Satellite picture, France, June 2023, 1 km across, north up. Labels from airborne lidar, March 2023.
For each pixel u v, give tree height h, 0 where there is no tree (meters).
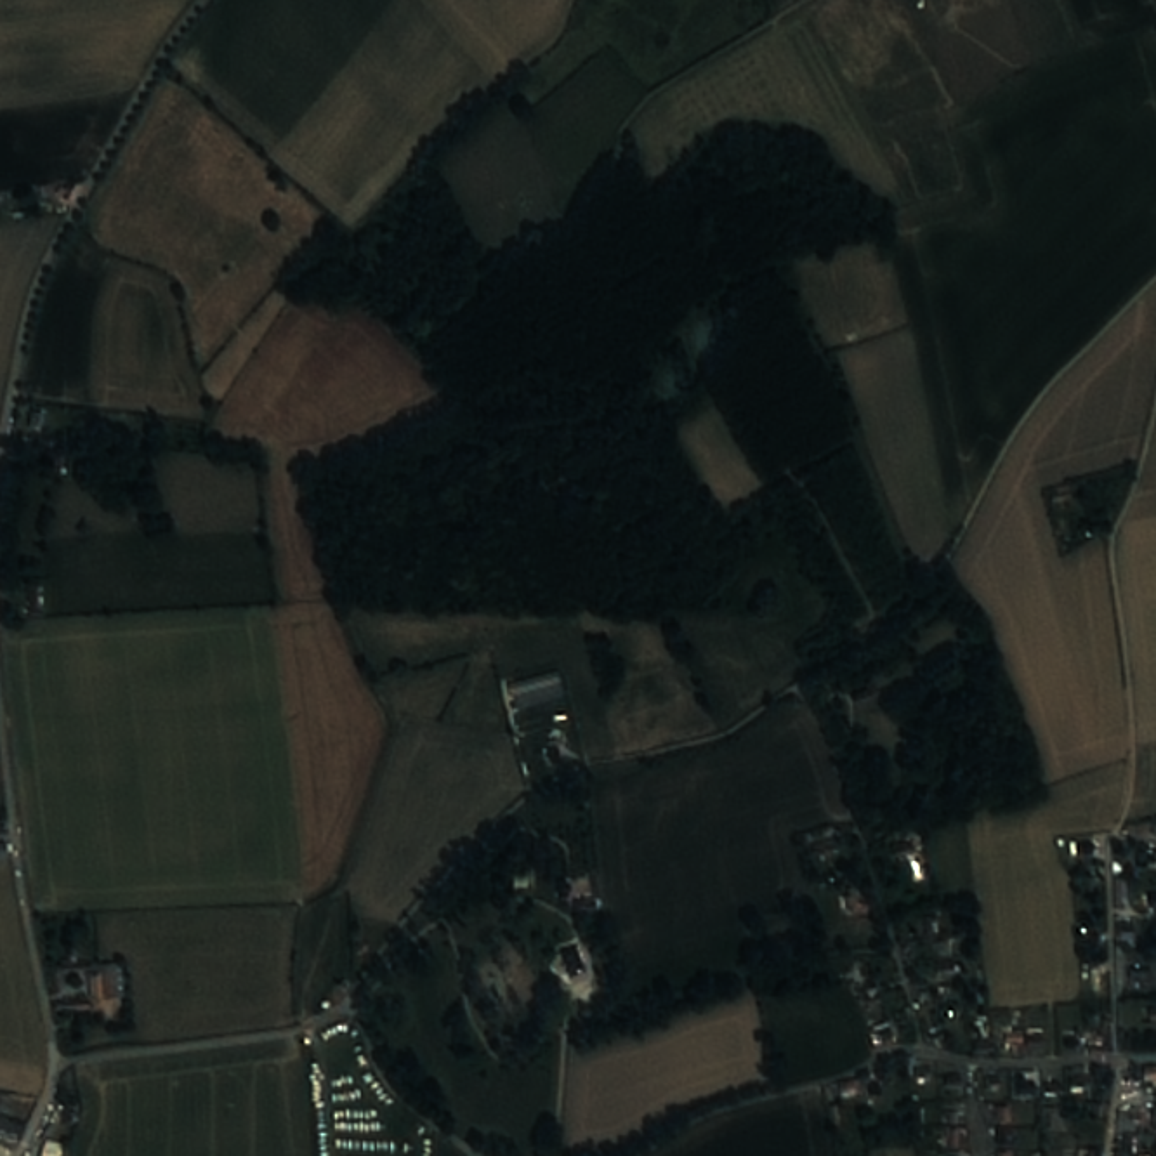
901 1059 21
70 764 0
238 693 0
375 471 26
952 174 0
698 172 16
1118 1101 0
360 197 0
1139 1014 0
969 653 10
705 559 28
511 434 24
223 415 0
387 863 0
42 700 0
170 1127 0
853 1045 0
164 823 0
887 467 0
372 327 0
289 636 0
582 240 15
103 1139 0
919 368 0
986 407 0
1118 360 0
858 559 6
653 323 15
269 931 0
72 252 0
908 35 0
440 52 0
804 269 0
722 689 0
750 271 10
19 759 0
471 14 0
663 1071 0
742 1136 0
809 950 25
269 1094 0
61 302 0
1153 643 0
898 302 0
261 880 0
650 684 0
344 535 17
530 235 14
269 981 0
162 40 0
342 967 0
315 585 0
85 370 0
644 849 0
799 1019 0
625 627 0
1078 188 0
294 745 0
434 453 27
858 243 7
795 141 19
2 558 21
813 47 0
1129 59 0
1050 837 0
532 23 0
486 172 0
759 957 25
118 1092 0
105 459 24
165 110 0
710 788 0
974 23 0
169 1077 0
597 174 13
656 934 0
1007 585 0
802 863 12
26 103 0
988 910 0
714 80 0
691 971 0
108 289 0
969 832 0
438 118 0
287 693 0
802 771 0
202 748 0
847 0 0
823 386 14
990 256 0
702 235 25
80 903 0
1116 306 0
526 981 0
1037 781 25
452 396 16
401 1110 0
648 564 24
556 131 0
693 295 15
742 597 0
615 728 0
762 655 0
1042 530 0
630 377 17
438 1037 0
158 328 0
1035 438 0
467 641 0
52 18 0
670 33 0
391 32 0
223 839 0
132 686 0
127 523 0
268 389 0
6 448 18
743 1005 0
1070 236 0
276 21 0
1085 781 0
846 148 0
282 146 0
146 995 0
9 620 16
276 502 0
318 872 0
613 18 0
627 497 18
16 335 0
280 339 0
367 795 0
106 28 0
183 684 0
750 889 0
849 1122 0
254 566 0
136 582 0
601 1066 0
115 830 0
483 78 0
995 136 0
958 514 0
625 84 0
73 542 0
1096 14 0
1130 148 0
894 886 15
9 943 0
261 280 0
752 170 21
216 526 0
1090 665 0
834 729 15
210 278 0
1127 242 0
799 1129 0
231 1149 0
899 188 0
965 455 0
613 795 0
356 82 0
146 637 0
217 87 0
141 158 0
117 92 0
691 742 0
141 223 0
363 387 0
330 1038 0
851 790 17
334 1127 0
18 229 0
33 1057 0
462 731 0
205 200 0
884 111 0
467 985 24
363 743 0
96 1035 0
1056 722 0
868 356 0
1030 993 0
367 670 12
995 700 25
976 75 0
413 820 0
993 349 0
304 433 0
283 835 0
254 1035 0
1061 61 0
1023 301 0
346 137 0
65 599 0
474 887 26
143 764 0
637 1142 19
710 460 0
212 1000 0
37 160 0
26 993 0
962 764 17
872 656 15
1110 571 0
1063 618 0
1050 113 0
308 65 0
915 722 25
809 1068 0
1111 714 0
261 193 0
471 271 17
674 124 0
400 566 22
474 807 0
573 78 0
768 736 0
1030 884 0
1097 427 0
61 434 7
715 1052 0
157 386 0
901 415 0
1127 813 0
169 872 0
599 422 25
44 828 0
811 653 7
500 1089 0
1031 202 0
